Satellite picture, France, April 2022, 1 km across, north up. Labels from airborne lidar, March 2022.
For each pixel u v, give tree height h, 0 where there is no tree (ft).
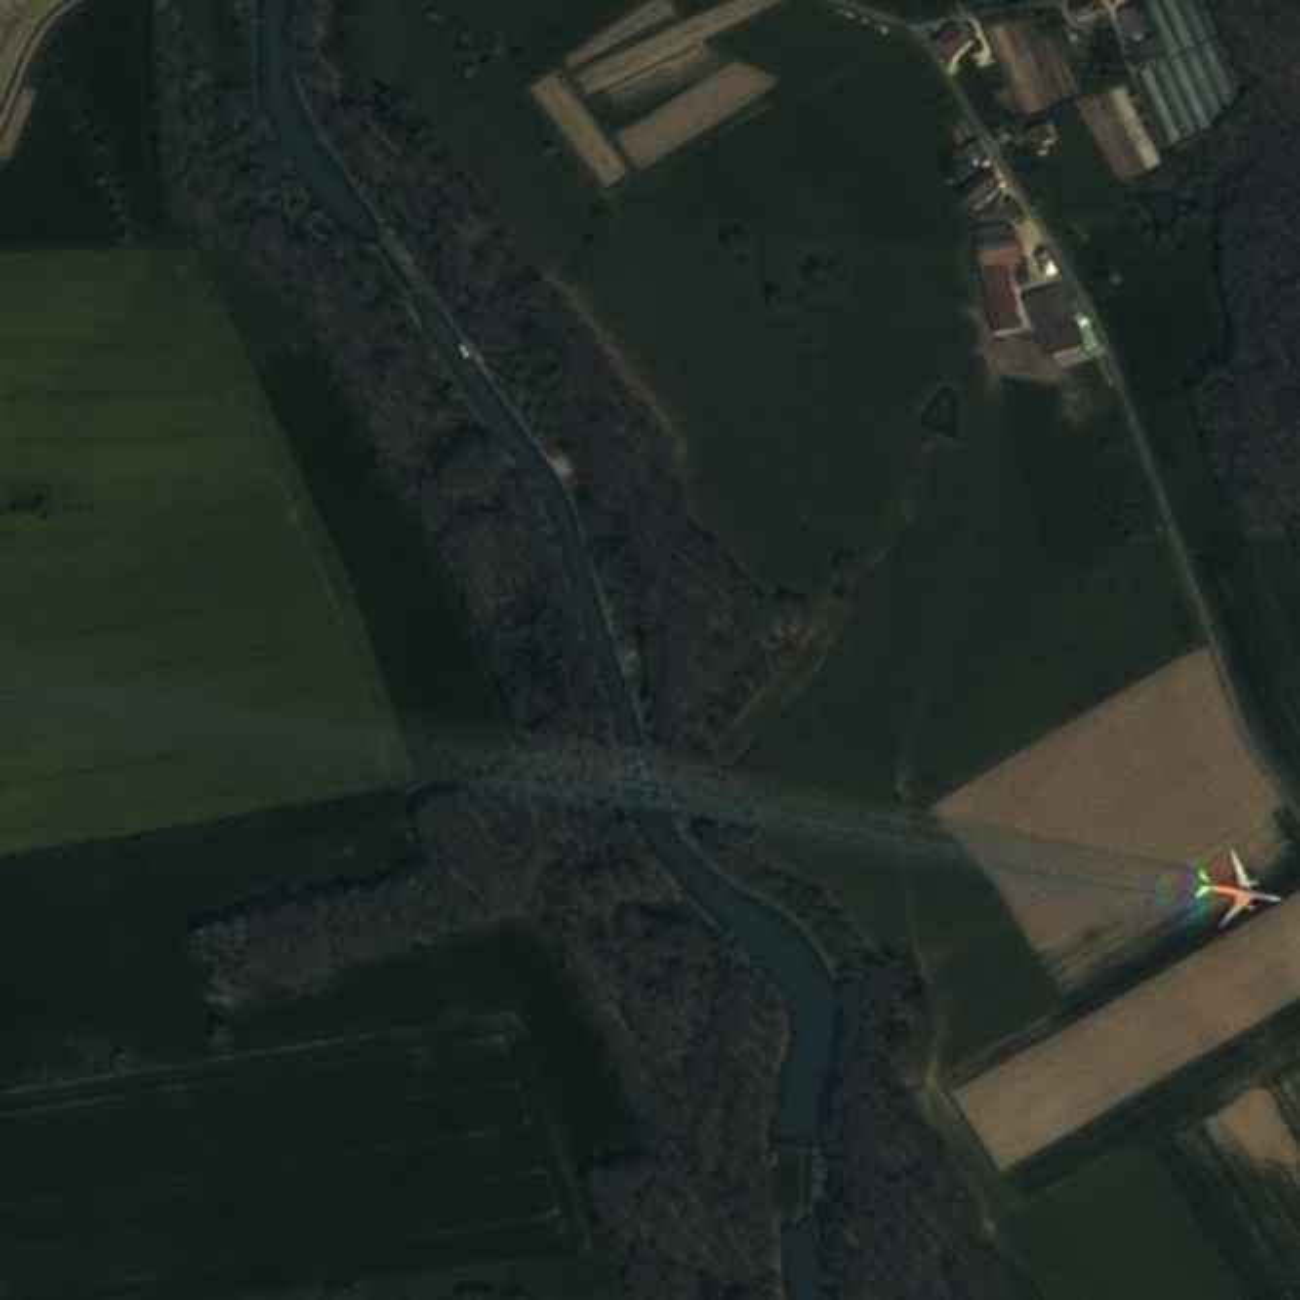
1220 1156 0
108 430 0
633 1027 90
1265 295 95
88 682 0
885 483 0
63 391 0
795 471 0
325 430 0
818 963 0
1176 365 0
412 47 0
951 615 0
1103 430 0
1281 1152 0
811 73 0
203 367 0
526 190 0
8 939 0
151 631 0
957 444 0
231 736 0
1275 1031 0
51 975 0
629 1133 0
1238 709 0
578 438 110
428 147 103
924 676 0
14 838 0
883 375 0
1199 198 40
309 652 0
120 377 0
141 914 0
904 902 0
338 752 0
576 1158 0
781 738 0
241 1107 0
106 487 0
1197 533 0
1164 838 0
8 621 0
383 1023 0
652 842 0
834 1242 89
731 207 0
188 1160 0
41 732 0
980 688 0
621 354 0
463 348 0
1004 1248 0
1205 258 0
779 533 0
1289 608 0
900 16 0
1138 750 0
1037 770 0
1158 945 0
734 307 0
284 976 86
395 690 0
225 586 0
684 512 100
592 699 97
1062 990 0
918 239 0
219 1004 0
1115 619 0
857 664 0
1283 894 0
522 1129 0
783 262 0
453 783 0
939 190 0
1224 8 81
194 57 80
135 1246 0
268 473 0
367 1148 0
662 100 0
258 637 0
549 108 0
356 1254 0
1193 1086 0
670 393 0
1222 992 0
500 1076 0
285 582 0
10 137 0
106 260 0
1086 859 0
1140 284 0
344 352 90
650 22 0
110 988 0
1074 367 0
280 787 0
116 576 0
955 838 0
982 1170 0
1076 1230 0
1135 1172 0
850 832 0
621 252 0
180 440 0
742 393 0
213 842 0
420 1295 0
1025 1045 0
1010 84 0
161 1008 0
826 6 0
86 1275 0
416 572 0
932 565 0
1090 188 0
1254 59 86
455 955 0
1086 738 0
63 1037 0
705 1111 107
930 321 0
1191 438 0
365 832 0
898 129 0
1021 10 55
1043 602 0
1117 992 0
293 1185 0
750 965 88
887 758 0
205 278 0
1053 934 0
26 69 0
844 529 0
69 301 0
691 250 0
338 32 0
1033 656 0
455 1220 0
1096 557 0
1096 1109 0
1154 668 0
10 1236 0
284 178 105
